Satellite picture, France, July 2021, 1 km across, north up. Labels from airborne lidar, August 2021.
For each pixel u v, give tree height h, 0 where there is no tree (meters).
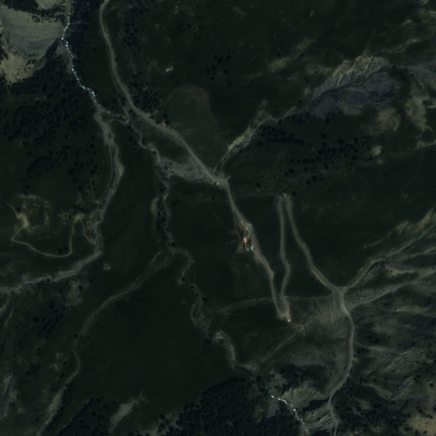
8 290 0
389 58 0
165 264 0
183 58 0
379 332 0
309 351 0
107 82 0
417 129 0
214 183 0
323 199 0
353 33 0
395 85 0
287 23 0
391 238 0
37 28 0
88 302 0
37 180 0
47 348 0
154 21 0
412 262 0
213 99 0
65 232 0
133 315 0
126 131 0
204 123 0
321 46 0
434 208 0
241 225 0
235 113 0
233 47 0
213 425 19
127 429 0
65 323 0
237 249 0
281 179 0
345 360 0
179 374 0
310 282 0
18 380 0
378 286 0
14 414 0
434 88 0
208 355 0
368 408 0
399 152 0
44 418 0
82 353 0
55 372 0
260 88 0
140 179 0
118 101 7
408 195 0
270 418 0
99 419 16
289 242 0
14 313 0
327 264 0
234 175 0
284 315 0
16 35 0
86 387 0
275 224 0
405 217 0
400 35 0
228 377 0
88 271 0
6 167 0
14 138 16
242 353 0
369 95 0
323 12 0
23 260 0
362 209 0
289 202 0
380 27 0
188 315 0
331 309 0
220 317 0
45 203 0
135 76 12
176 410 0
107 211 0
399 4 0
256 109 0
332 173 0
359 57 0
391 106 0
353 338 0
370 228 0
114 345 0
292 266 0
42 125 0
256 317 0
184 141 0
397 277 0
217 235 0
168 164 0
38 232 0
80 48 16
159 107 8
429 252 0
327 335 0
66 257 0
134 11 9
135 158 0
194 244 0
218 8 0
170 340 0
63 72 18
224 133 0
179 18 0
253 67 0
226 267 0
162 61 0
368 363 0
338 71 0
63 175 0
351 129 0
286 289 0
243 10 0
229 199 0
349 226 0
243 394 18
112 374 0
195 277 0
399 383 0
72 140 0
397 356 0
